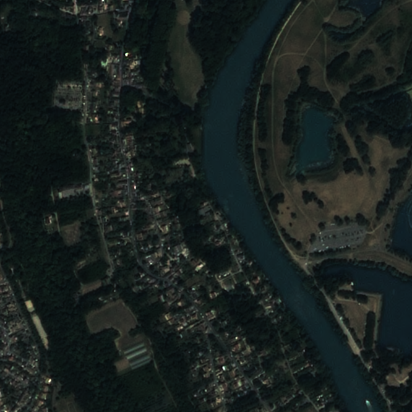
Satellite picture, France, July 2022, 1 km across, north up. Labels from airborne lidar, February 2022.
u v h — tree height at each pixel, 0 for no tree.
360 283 0
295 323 14
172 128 12
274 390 11
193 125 23
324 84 0
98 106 0
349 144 0
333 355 0
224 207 0
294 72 0
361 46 0
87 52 14
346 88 0
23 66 20
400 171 18
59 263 22
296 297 0
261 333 23
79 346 22
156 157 19
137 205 9
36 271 16
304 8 0
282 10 0
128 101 17
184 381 14
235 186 0
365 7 0
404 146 16
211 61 24
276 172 0
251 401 12
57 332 15
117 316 0
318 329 0
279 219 0
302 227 0
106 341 15
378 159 0
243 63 0
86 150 15
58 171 18
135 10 21
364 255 0
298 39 0
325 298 14
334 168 0
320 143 0
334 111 7
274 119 0
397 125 17
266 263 0
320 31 0
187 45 0
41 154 23
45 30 21
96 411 17
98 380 19
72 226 0
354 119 16
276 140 0
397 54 0
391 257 0
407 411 18
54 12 13
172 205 9
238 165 0
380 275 0
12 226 9
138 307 8
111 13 8
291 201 0
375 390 18
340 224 19
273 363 19
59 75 21
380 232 0
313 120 0
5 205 11
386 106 23
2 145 17
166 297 16
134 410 21
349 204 0
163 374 13
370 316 12
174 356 17
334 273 0
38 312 11
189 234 25
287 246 0
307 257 0
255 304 9
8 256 10
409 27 0
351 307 0
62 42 20
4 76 13
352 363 0
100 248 0
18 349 7
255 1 25
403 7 0
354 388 0
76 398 10
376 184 0
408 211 0
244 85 0
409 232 0
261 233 0
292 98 10
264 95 11
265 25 0
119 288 15
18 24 22
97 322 0
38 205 17
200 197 13
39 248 18
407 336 0
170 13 46
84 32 14
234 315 25
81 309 20
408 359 13
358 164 12
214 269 23
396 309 0
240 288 17
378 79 0
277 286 0
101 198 0
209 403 7
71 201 11
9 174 11
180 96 0
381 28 0
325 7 0
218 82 0
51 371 12
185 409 12
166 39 41
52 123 6
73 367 17
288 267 0
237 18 27
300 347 15
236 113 0
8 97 17
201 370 6
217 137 0
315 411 0
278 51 0
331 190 0
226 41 34
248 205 0
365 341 12
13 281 8
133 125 28
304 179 15
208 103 16
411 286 0
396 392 14
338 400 17
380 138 0
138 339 0
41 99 20
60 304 12
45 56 18
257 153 0
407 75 12
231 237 8
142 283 7
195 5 0
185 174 10
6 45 20
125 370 0
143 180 8
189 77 0
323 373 19
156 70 41
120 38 0
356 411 0
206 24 31
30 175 18
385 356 14
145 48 27
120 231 9
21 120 22
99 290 9
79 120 10
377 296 0
